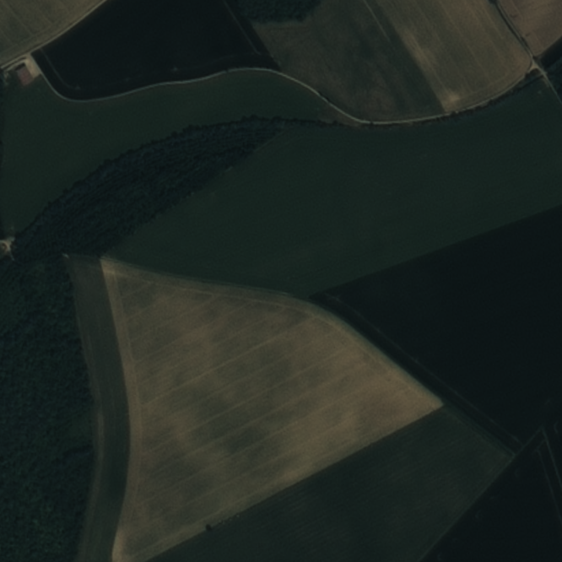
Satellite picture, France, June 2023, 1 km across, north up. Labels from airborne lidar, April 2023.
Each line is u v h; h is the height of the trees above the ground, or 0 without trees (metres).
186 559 0
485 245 0
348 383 0
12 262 12
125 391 0
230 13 0
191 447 0
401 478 0
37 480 20
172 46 0
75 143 0
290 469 0
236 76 0
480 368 0
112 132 0
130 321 0
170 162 12
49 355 11
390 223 0
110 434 0
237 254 0
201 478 0
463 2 0
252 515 0
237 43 0
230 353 0
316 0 17
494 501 0
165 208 8
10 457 18
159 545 0
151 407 0
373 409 0
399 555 0
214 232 0
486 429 0
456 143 0
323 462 0
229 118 0
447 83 0
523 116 0
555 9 0
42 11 0
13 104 0
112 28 0
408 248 0
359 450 0
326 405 0
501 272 0
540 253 0
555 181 0
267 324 0
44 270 15
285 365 0
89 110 0
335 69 0
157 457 0
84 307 0
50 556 14
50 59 0
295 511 0
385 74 0
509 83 0
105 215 14
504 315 0
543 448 0
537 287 0
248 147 12
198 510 0
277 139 0
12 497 19
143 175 13
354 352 0
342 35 0
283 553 0
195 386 0
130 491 0
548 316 0
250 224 0
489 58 0
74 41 0
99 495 0
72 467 12
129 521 0
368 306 0
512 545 0
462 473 0
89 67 0
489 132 0
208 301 0
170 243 0
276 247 0
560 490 0
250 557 0
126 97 0
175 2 0
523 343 0
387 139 0
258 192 0
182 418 0
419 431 0
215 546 0
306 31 0
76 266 0
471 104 0
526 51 0
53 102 0
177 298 0
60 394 20
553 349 0
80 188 17
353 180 0
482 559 0
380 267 0
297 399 0
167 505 0
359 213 0
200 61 0
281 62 0
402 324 0
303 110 0
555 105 0
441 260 0
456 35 0
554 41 0
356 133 0
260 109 0
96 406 0
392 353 0
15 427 22
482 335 0
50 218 13
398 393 0
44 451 16
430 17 0
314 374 0
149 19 0
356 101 0
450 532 0
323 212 0
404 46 0
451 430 0
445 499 0
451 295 0
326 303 0
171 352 0
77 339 20
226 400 0
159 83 0
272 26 0
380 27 0
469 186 0
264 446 0
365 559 0
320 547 0
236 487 0
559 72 9
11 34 0
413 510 0
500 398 0
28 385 11
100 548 0
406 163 0
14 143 0
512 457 0
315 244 0
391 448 0
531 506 0
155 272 0
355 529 0
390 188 0
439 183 0
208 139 14
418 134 0
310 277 0
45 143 0
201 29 0
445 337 0
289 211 0
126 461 0
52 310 15
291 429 0
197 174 13
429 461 0
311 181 0
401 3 0
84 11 0
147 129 0
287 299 0
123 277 0
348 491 0
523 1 0
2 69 10
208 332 0
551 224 0
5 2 0
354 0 0
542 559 0
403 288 0
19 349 19
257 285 0
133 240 0
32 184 0
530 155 0
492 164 0
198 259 0
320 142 0
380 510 0
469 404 0
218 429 0
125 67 0
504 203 0
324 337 0
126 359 0
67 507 18
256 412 0
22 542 14
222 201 0
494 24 0
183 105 0
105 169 15
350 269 0
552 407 0
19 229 0
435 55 0
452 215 0
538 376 0
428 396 0
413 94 0
